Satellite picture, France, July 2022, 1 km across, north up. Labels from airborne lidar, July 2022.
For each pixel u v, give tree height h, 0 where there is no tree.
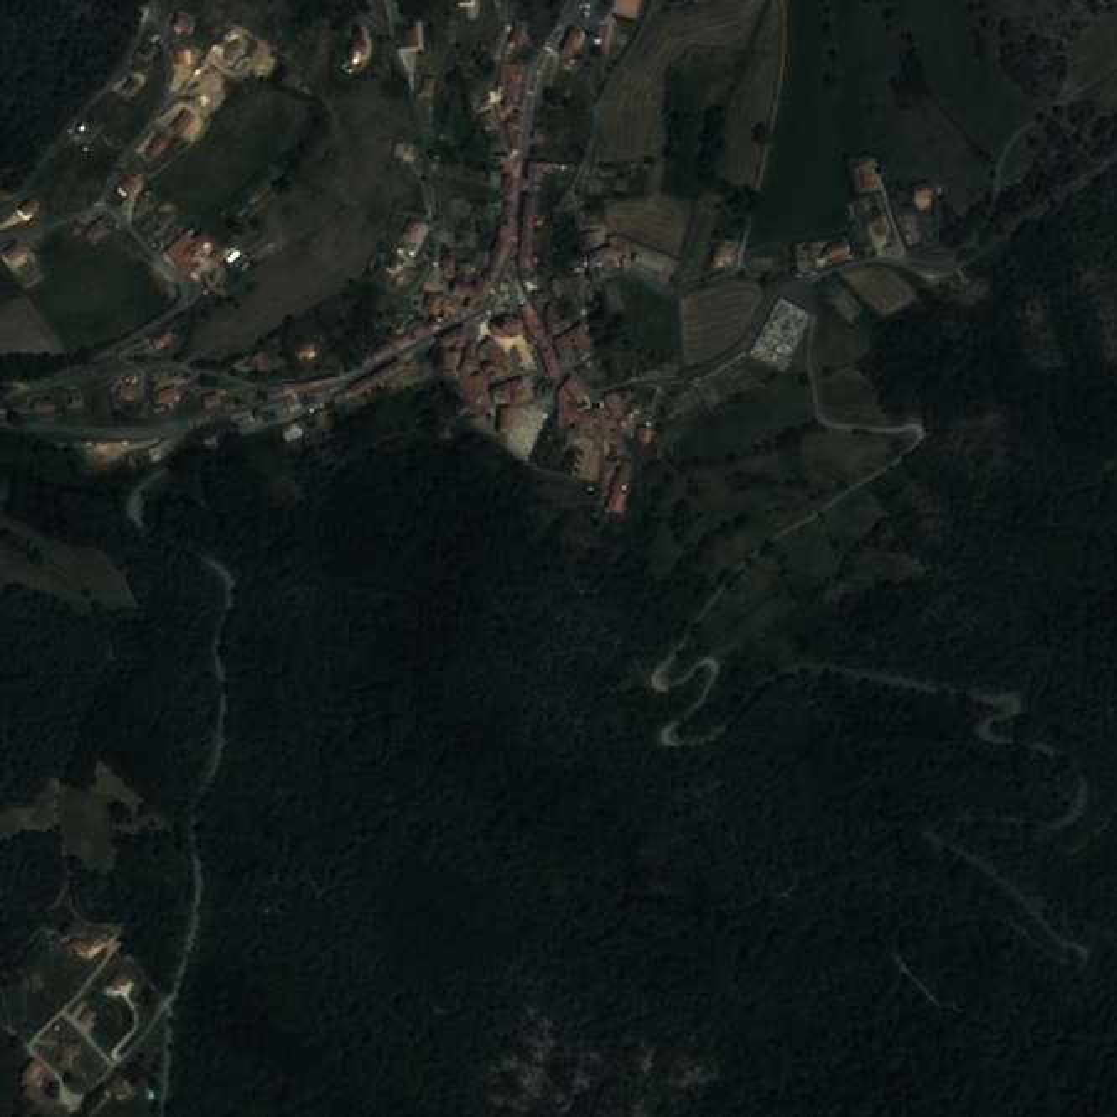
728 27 0
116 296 0
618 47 0
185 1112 17
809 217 0
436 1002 15
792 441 14
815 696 16
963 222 8
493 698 20
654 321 0
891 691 14
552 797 26
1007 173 0
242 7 0
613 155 0
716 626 0
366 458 8
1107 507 12
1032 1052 33
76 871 9
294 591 7
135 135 0
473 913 13
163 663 11
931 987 22
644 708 11
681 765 11
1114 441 22
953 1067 19
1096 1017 24
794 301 0
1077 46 0
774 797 15
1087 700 12
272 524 28
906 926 26
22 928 8
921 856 26
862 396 0
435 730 23
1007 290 13
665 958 24
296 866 10
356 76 0
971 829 8
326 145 0
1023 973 12
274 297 0
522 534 12
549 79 0
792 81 0
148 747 11
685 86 0
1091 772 18
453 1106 10
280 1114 11
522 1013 10
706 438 0
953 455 10
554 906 12
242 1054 22
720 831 14
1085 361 15
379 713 22
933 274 0
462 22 0
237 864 15
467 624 26
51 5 9
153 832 12
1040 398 32
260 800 10
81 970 0
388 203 0
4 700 26
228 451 20
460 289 0
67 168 0
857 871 22
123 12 11
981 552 14
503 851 16
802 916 28
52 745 21
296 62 0
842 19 0
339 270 0
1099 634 21
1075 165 6
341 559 27
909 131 0
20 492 17
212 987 17
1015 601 13
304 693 19
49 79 18
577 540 0
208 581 11
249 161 0
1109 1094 29
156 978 7
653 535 9
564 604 12
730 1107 21
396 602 24
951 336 6
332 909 18
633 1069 9
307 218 0
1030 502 17
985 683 11
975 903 22
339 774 19
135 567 18
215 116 0
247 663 27
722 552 0
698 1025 10
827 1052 22
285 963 12
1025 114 0
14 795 12
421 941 15
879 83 0
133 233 0
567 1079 9
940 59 0
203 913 13
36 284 0
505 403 0
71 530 20
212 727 15
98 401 0
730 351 0
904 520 7
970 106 0
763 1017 16
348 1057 22
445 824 15
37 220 0
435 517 17
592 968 18
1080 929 13
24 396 0
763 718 14
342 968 16
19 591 18
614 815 25
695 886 7
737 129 0
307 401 6
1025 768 24
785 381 0
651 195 0
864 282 0
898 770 28
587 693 15
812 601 10
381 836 24
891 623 16
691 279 0
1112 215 11
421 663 30
